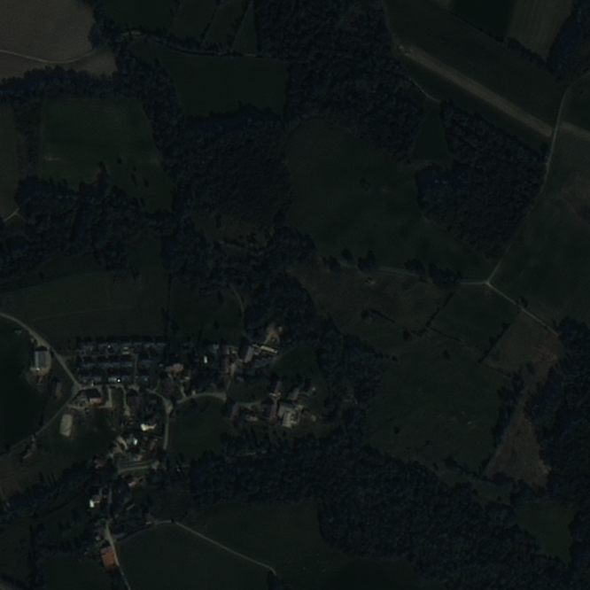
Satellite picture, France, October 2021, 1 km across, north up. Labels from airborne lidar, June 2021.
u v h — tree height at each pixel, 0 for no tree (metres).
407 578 0
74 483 20
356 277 0
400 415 0
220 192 20
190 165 26
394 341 0
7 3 0
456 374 0
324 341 25
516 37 0
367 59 15
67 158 0
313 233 0
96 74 0
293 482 24
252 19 0
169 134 25
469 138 23
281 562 0
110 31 7
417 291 0
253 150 23
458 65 0
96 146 0
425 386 0
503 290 0
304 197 0
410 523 24
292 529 0
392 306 0
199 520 0
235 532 0
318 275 0
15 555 0
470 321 0
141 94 16
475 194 25
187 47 9
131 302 0
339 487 18
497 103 0
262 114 0
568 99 0
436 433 0
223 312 0
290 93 7
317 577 0
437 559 21
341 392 17
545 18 0
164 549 0
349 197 0
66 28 0
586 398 23
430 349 0
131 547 0
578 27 22
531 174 19
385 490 24
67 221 19
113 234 26
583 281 0
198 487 21
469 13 0
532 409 15
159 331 0
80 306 0
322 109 23
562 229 0
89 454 0
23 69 0
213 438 0
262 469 17
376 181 0
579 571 19
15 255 20
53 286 0
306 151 0
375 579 0
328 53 18
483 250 23
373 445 0
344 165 0
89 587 0
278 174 21
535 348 0
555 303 0
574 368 16
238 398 0
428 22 0
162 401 11
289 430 0
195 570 0
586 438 25
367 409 16
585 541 20
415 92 7
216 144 22
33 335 0
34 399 0
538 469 0
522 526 0
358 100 16
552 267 0
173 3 0
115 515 9
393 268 0
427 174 0
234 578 0
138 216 20
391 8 0
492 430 0
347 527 24
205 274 25
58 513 0
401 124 22
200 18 0
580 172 0
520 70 0
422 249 0
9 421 0
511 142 14
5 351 0
